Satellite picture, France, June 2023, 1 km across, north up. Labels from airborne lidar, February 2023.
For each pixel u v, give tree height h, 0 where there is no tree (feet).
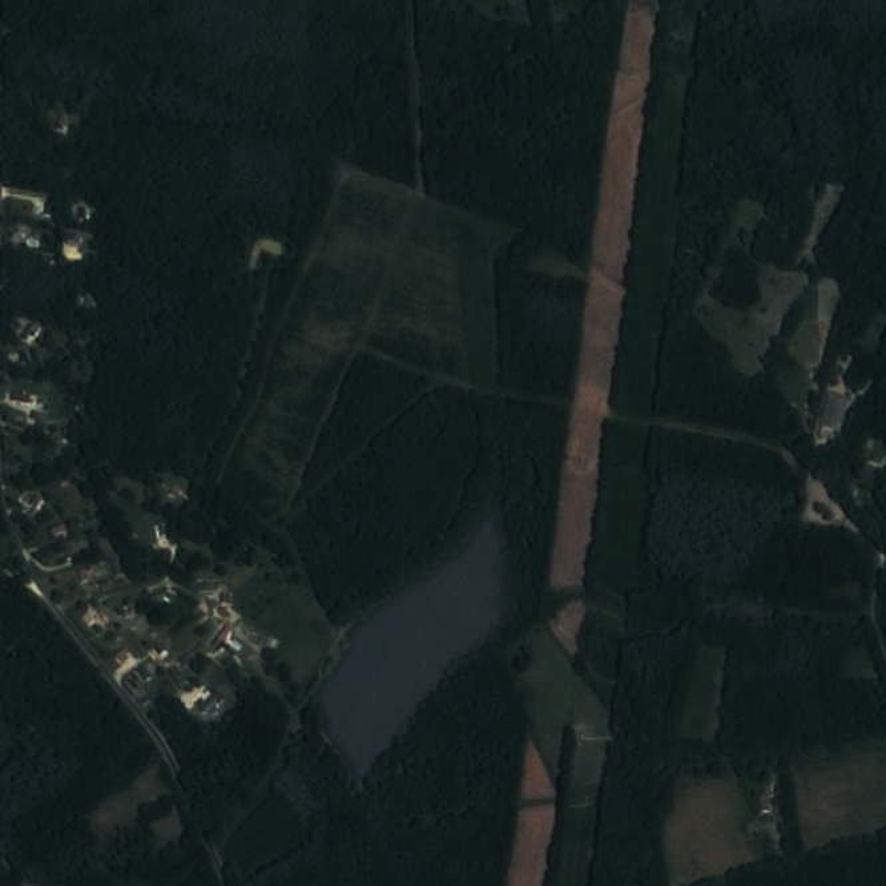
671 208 0
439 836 65
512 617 22
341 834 62
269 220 69
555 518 65
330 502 55
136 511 0
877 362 82
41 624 67
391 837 64
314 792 48
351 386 54
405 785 73
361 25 51
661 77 49
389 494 62
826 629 63
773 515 92
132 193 78
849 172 68
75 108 67
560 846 54
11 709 70
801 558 66
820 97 95
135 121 71
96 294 63
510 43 52
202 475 66
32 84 64
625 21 46
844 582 56
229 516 62
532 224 63
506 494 42
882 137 79
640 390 0
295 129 60
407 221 0
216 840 76
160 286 69
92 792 73
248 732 78
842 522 0
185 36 42
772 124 81
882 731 57
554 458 66
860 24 90
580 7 0
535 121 53
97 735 79
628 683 69
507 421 66
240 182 84
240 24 47
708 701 0
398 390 50
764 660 85
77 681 74
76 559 49
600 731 0
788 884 45
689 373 48
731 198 84
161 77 63
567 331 66
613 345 0
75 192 71
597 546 49
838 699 58
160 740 0
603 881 58
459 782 69
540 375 68
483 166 56
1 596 60
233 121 79
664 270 0
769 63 74
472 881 57
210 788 54
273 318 27
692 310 63
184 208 76
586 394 21
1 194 0
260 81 44
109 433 82
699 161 77
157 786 0
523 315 57
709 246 23
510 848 59
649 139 61
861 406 54
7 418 58
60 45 56
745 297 37
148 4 24
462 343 0
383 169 55
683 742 32
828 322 0
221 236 80
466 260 0
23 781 86
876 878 45
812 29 56
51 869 72
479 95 36
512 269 67
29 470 31
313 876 59
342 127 56
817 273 68
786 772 44
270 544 57
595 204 64
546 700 0
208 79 49
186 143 81
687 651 61
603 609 0
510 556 36
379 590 60
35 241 0
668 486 93
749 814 0
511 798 67
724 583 94
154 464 75
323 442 48
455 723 72
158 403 82
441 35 66
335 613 51
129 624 0
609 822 68
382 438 59
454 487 60
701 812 0
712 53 69
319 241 0
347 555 48
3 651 68
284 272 36
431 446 64
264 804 23
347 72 47
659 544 94
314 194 50
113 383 75
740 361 0
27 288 67
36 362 37
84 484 37
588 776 0
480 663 58
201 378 84
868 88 78
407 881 63
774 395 62
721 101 78
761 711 58
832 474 82
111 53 66
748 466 52
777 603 66
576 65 61
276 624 0
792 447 61
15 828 23
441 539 27
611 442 58
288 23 47
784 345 77
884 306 73
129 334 89
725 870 0
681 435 44
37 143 71
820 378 50
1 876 51
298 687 51
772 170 70
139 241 68
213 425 75
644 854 56
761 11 85
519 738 74
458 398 62
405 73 52
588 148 76
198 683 46
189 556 58
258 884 85
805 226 64
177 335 85
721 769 47
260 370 26
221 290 82
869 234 90
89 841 68
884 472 53
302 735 38
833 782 0
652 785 65
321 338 0
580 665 46
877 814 0
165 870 26
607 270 0
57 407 0
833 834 0
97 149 84
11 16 80
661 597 62
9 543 37
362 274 0
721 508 93
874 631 63
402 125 57
